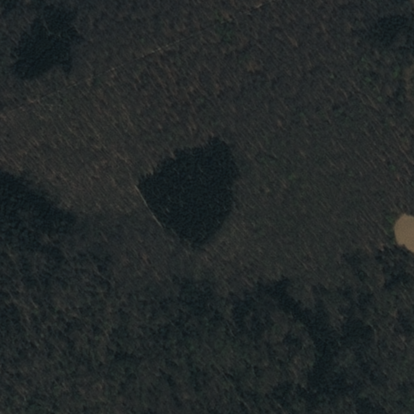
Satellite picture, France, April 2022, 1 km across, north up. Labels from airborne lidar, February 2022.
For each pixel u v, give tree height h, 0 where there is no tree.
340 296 26
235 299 23
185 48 29
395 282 27
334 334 27
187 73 27
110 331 25
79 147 28
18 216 28
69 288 26
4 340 31
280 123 31
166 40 31
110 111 30
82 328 23
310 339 27
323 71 26
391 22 22
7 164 0
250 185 27
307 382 24
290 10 28
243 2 30
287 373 29
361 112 29
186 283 24
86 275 23
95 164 0
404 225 0
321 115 29
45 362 30
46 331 26
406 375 28
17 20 24
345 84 31
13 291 22
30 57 23
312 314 28
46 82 28
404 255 18
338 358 23
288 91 33
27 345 27
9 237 28
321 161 29
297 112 32
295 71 32
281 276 26
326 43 29
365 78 28
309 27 28
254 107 32
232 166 27
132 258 27
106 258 26
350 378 32
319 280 26
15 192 25
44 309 29
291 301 22
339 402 29
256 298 27
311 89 32
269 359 26
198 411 22
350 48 31
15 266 23
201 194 27
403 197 31
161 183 22
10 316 28
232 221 22
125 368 26
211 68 30
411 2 8
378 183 29
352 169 29
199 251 24
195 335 26
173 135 31
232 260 30
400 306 29
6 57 24
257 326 28
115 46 28
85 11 23
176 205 14
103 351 27
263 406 29
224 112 30
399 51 26
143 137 0
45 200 9
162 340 22
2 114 23
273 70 27
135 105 27
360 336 30
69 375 25
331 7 28
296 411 23
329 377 26
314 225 28
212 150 21
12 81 27
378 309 25
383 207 32
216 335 27
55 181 0
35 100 26
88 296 29
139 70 27
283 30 25
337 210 29
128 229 29
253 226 27
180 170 23
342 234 26
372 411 30
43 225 21
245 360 25
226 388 26
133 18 29
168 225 26
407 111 25
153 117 26
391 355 28
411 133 27
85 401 27
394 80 28
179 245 26
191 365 24
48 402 29
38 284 25
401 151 27
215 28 28
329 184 30
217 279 30
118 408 25
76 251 31
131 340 28
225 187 24
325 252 28
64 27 25
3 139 20
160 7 31
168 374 28
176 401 26
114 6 24
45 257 25
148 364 28
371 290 28
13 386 26
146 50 28
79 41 25
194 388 28
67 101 30
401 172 32
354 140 31
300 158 30
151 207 28
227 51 30
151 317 26
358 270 29
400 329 26
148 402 27
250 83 29
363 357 32
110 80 30
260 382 26
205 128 26
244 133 29
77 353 29
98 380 25
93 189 0
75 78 30
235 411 24
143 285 28
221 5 28
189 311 26
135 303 25
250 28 30
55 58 20
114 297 30
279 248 28
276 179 30
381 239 32
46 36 22
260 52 26
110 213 31
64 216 24
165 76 29
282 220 28
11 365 23
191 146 24
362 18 31
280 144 28
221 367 26
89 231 27
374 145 31
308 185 29
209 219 24
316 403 22
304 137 31
